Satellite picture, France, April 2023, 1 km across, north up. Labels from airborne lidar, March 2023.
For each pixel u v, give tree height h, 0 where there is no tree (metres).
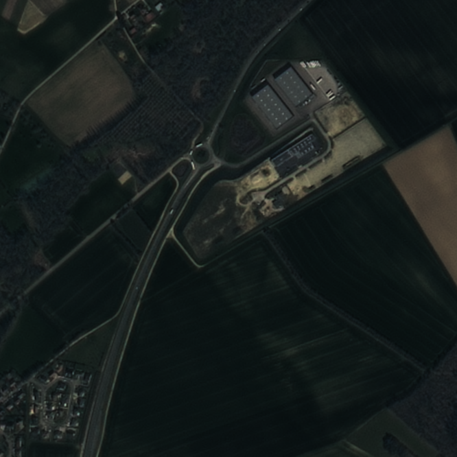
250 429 0
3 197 0
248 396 0
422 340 0
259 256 0
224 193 0
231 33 19
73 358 0
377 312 0
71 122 0
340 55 0
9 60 0
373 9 0
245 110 0
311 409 0
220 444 0
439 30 0
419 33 0
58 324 0
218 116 0
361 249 0
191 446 0
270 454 0
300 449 0
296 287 0
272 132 0
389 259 0
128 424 0
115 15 0
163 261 0
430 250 0
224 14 22
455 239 0
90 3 0
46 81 0
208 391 0
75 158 22
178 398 0
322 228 0
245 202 0
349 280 0
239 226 0
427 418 8
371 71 0
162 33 0
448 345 0
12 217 0
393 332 0
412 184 0
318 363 0
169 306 0
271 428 0
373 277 0
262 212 0
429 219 0
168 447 0
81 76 0
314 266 0
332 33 0
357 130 0
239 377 0
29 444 0
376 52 0
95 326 0
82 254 0
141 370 0
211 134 0
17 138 0
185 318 0
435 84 0
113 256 0
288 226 0
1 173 0
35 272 18
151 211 0
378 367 0
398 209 0
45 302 0
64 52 0
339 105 0
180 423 0
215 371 0
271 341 0
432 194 0
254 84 0
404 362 0
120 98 0
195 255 0
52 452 0
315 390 0
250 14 18
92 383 0
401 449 10
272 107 0
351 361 0
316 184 0
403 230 0
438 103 0
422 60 0
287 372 0
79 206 0
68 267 0
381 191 0
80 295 0
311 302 0
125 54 0
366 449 0
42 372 10
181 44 6
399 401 16
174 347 0
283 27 0
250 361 0
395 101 0
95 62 0
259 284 0
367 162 0
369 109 0
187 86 6
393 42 0
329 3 0
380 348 0
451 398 6
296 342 0
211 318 0
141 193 0
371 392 0
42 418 0
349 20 0
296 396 0
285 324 0
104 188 0
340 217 0
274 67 0
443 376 6
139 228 0
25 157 0
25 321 0
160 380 0
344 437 0
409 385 0
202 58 10
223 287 0
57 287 0
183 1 0
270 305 0
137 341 0
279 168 0
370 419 0
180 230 0
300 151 0
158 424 0
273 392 0
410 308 0
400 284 0
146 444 0
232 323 0
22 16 0
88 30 0
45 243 15
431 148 0
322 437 0
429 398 14
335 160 0
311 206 0
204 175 0
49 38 0
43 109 0
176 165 0
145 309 0
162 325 0
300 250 0
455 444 11
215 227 0
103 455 0
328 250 0
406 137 0
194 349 0
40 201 21
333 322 0
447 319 0
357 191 0
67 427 0
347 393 0
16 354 0
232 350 0
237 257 0
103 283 0
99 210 0
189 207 0
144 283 0
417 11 0
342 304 0
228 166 0
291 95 0
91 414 0
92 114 0
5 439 11
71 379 0
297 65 0
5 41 0
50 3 0
